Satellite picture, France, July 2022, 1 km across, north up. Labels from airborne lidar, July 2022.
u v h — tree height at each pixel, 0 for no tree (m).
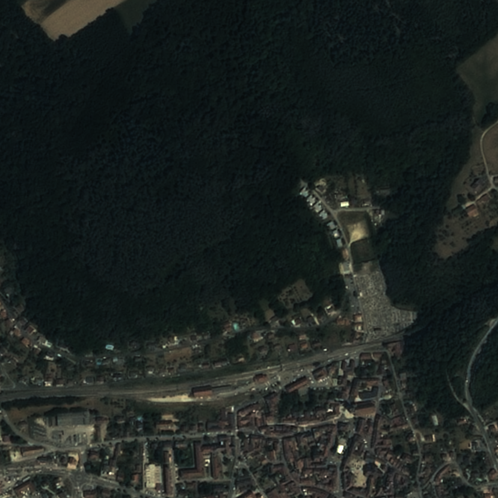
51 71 27
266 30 23
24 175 24
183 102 32
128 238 28
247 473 12
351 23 23
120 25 8
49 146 23
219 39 30
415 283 16
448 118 22
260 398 0
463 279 23
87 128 23
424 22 17
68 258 25
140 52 17
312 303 19
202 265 25
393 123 9
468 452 6
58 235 22
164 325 11
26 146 20
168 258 27
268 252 11
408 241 24
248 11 22
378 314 0
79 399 12
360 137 20
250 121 30
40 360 10
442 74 10
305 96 20
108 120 11
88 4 0
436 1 12
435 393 17
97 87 19
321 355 0
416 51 13
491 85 0
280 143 18
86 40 12
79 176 23
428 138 13
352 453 0
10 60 25
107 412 0
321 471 0
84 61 24
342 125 25
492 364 10
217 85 27
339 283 16
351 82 12
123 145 30
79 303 21
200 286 10
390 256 15
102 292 22
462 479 0
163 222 31
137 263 27
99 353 13
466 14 15
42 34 18
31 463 0
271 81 16
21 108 28
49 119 30
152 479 0
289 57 21
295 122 6
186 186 26
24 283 16
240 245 19
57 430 0
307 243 16
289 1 19
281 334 6
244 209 27
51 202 20
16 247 26
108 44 11
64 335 20
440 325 11
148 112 21
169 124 21
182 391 0
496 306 22
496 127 0
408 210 16
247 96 25
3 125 19
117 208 29
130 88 15
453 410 21
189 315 11
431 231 14
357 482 0
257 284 23
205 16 23
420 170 27
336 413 0
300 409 12
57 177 19
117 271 29
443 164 15
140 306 19
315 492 0
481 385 6
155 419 8
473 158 0
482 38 14
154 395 0
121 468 8
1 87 23
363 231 0
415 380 14
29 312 13
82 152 18
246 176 12
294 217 21
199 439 0
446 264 15
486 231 11
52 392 0
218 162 24
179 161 10
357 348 0
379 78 15
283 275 20
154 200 24
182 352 0
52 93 29
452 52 17
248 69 23
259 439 0
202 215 26
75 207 23
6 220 23
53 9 0
